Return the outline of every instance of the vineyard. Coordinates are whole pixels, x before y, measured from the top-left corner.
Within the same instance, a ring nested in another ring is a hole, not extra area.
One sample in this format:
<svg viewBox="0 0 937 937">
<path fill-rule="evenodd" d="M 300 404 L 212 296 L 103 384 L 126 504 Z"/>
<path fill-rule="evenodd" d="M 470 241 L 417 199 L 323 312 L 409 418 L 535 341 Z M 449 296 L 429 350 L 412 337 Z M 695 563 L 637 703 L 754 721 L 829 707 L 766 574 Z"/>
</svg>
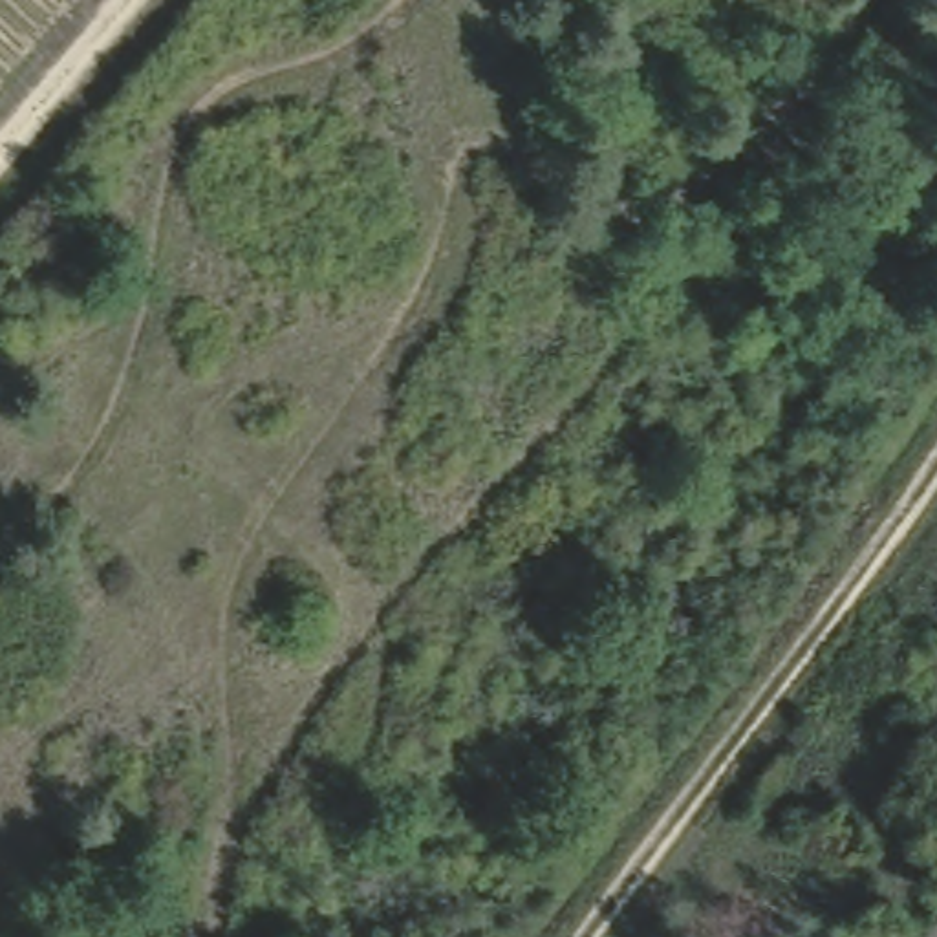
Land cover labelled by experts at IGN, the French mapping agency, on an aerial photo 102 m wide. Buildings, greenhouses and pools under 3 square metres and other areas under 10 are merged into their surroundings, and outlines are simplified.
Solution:
<svg viewBox="0 0 937 937">
<path fill-rule="evenodd" d="M 0 124 L 55 66 L 55 59 L 84 33 L 102 0 L 0 0 Z"/>
</svg>

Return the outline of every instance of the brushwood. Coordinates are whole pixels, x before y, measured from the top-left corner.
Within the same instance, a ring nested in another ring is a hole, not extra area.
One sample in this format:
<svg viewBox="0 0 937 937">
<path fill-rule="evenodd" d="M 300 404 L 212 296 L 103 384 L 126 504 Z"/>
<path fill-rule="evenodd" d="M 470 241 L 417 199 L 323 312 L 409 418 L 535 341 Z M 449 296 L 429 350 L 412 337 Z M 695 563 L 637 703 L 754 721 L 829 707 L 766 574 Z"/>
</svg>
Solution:
<svg viewBox="0 0 937 937">
<path fill-rule="evenodd" d="M 355 15 L 366 0 L 154 0 L 124 29 L 124 37 L 95 59 L 84 84 L 40 124 L 40 132 L 11 154 L 11 165 L 0 176 L 0 326 L 48 322 L 48 307 L 62 296 L 84 267 L 88 242 L 102 242 L 106 231 L 113 238 L 128 238 L 128 227 L 113 216 L 113 209 L 128 198 L 128 176 L 135 165 L 132 146 L 146 139 L 146 124 L 154 121 L 154 110 L 161 102 L 172 102 L 190 77 L 212 70 L 227 48 L 242 48 L 245 37 L 267 26 L 304 22 L 304 33 L 311 37 L 337 37 L 340 22 Z"/>
<path fill-rule="evenodd" d="M 479 0 L 487 7 L 483 18 L 461 15 L 461 51 L 469 59 L 472 77 L 494 92 L 505 135 L 490 139 L 479 150 L 469 150 L 458 179 L 476 216 L 472 242 L 461 264 L 461 285 L 472 289 L 465 329 L 439 333 L 428 355 L 414 366 L 403 421 L 384 421 L 381 436 L 359 447 L 359 465 L 337 469 L 326 479 L 326 538 L 344 553 L 348 567 L 362 571 L 370 586 L 384 586 L 392 597 L 381 600 L 377 622 L 362 633 L 362 641 L 351 644 L 348 655 L 322 677 L 322 688 L 307 703 L 285 750 L 271 761 L 264 783 L 249 794 L 249 802 L 234 809 L 212 893 L 205 893 L 209 864 L 216 853 L 212 842 L 198 838 L 194 845 L 179 845 L 179 838 L 161 838 L 135 813 L 124 824 L 99 813 L 117 776 L 66 783 L 62 798 L 77 816 L 66 824 L 62 845 L 40 853 L 37 867 L 18 875 L 11 897 L 0 889 L 0 937 L 59 937 L 59 930 L 102 926 L 110 915 L 117 915 L 124 900 L 139 900 L 146 893 L 146 882 L 139 878 L 143 853 L 157 860 L 157 871 L 172 878 L 172 897 L 183 900 L 194 915 L 194 922 L 179 926 L 176 937 L 575 937 L 571 926 L 582 919 L 589 900 L 604 889 L 611 871 L 626 860 L 626 853 L 644 838 L 662 805 L 677 794 L 684 776 L 717 739 L 725 717 L 747 699 L 754 681 L 780 659 L 791 637 L 809 622 L 816 604 L 831 593 L 842 571 L 853 564 L 853 556 L 864 549 L 864 542 L 875 534 L 904 483 L 911 479 L 915 465 L 937 439 L 937 388 L 922 384 L 922 377 L 875 381 L 871 399 L 878 399 L 878 421 L 856 436 L 794 436 L 791 428 L 783 428 L 780 406 L 787 395 L 805 388 L 805 381 L 802 373 L 780 373 L 776 366 L 776 340 L 765 315 L 776 307 L 776 296 L 761 285 L 754 253 L 732 249 L 728 216 L 758 212 L 765 205 L 761 179 L 769 179 L 787 157 L 802 168 L 816 168 L 824 161 L 827 143 L 835 135 L 831 117 L 845 99 L 856 95 L 867 70 L 875 70 L 893 92 L 900 92 L 900 135 L 915 150 L 926 146 L 937 124 L 937 0 Z M 410 494 L 417 487 L 428 490 L 443 487 L 447 479 L 458 483 L 465 476 L 483 479 L 487 490 L 469 523 L 443 534 L 432 516 L 417 516 Z M 589 615 L 597 604 L 619 600 L 648 600 L 666 604 L 673 611 L 666 630 L 666 659 L 648 684 L 578 684 L 578 673 L 564 666 L 556 648 L 564 648 L 564 633 L 589 633 Z M 534 878 L 527 864 L 516 860 L 520 838 L 516 827 L 501 835 L 494 794 L 505 765 L 520 754 L 542 758 L 545 776 L 556 783 L 608 783 L 615 791 L 608 813 L 619 820 L 619 835 L 600 860 L 586 860 L 571 871 L 549 871 L 542 878 Z M 366 831 L 384 824 L 381 802 L 392 805 L 399 820 L 410 820 L 414 805 L 428 805 L 432 835 L 421 842 L 421 856 L 414 867 L 406 867 L 403 875 L 370 878 L 359 871 L 351 853 L 362 845 Z"/>
<path fill-rule="evenodd" d="M 234 399 L 234 428 L 242 432 L 271 432 L 275 417 L 289 414 L 293 384 L 264 377 L 256 384 L 245 384 L 245 392 Z"/>
<path fill-rule="evenodd" d="M 15 714 L 18 703 L 37 699 L 37 677 L 66 677 L 66 644 L 77 633 L 81 615 L 70 593 L 81 578 L 99 575 L 106 560 L 117 560 L 121 553 L 106 542 L 95 542 L 95 527 L 88 527 L 88 520 L 70 505 L 62 534 L 51 538 L 51 545 L 44 549 L 22 549 L 18 560 L 4 571 L 0 586 L 0 710 Z"/>
<path fill-rule="evenodd" d="M 340 110 L 344 81 L 333 70 L 322 102 L 296 95 L 296 106 L 285 113 L 253 113 L 245 121 L 201 132 L 198 157 L 187 168 L 187 190 L 179 190 L 179 198 L 190 216 L 190 231 L 201 238 L 223 238 L 227 260 L 245 260 L 253 282 L 264 282 L 271 293 L 293 293 L 296 300 L 304 293 L 329 293 L 329 311 L 340 311 L 344 289 L 370 285 L 373 278 L 395 278 L 403 264 L 417 260 L 421 238 L 410 231 L 410 198 L 399 194 L 403 176 L 410 172 L 410 154 L 403 150 L 395 157 L 384 146 L 384 139 L 370 139 L 359 132 L 362 113 Z"/>
<path fill-rule="evenodd" d="M 772 721 L 758 732 L 758 739 L 739 754 L 736 772 L 728 772 L 714 798 L 695 813 L 695 820 L 666 853 L 659 871 L 648 875 L 641 889 L 615 893 L 600 908 L 600 915 L 608 919 L 608 937 L 937 937 L 937 717 L 919 721 L 915 699 L 904 692 L 908 659 L 915 652 L 926 652 L 926 633 L 937 633 L 937 582 L 915 575 L 908 586 L 893 593 L 878 578 L 820 644 L 813 666 L 802 673 L 794 692 L 776 706 Z"/>
<path fill-rule="evenodd" d="M 194 370 L 205 366 L 220 373 L 234 351 L 234 326 L 220 318 L 212 322 L 212 337 L 201 337 L 194 344 Z"/>
</svg>

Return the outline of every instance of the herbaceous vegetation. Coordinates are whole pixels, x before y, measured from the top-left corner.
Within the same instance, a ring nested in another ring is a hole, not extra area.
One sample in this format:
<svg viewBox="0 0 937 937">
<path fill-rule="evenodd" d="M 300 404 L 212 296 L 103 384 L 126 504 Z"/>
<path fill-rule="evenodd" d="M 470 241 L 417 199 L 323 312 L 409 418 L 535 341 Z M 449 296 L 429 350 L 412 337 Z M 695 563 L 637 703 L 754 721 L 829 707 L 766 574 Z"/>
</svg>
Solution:
<svg viewBox="0 0 937 937">
<path fill-rule="evenodd" d="M 410 494 L 417 516 L 432 516 L 443 534 L 469 523 L 487 490 L 483 479 L 465 476 L 458 483 L 447 479 L 443 487 L 428 490 L 417 487 Z"/>
<path fill-rule="evenodd" d="M 414 366 L 428 355 L 439 333 L 465 329 L 472 289 L 461 285 L 461 264 L 472 242 L 476 216 L 458 179 L 469 150 L 479 150 L 490 139 L 505 135 L 494 92 L 472 77 L 469 59 L 461 51 L 461 15 L 483 18 L 487 7 L 479 0 L 366 0 L 355 15 L 340 22 L 337 37 L 311 37 L 304 33 L 304 22 L 267 26 L 245 37 L 242 48 L 227 48 L 212 70 L 190 77 L 172 102 L 161 102 L 154 110 L 154 121 L 146 124 L 146 139 L 132 146 L 135 165 L 128 176 L 128 198 L 113 209 L 113 216 L 128 227 L 143 234 L 150 260 L 165 264 L 172 282 L 168 304 L 150 304 L 124 326 L 95 326 L 84 315 L 81 300 L 62 296 L 48 307 L 48 322 L 0 326 L 0 586 L 4 571 L 18 560 L 22 549 L 44 549 L 51 545 L 51 538 L 62 534 L 70 505 L 88 520 L 88 527 L 95 527 L 95 542 L 106 542 L 121 553 L 117 560 L 106 560 L 99 575 L 81 578 L 70 593 L 81 615 L 77 633 L 66 644 L 66 677 L 37 677 L 37 699 L 18 703 L 15 714 L 0 710 L 0 889 L 11 897 L 18 875 L 37 867 L 40 853 L 62 845 L 66 824 L 77 816 L 62 798 L 66 783 L 117 776 L 99 813 L 124 824 L 135 813 L 161 838 L 179 838 L 179 845 L 194 845 L 198 838 L 212 842 L 216 853 L 209 864 L 205 893 L 212 893 L 234 809 L 249 802 L 249 794 L 264 783 L 271 761 L 285 750 L 307 703 L 322 688 L 322 677 L 348 655 L 351 644 L 362 641 L 362 633 L 377 622 L 381 600 L 392 597 L 384 586 L 370 586 L 362 571 L 348 567 L 344 553 L 326 538 L 326 479 L 337 469 L 359 465 L 359 447 L 381 436 L 384 421 L 403 421 Z M 245 260 L 227 260 L 223 238 L 201 238 L 190 231 L 190 216 L 179 198 L 179 190 L 187 190 L 187 168 L 198 157 L 201 132 L 245 121 L 253 113 L 285 113 L 296 106 L 296 95 L 322 102 L 333 70 L 344 81 L 340 110 L 362 113 L 359 132 L 370 139 L 384 139 L 384 146 L 395 157 L 403 150 L 410 154 L 410 172 L 403 176 L 399 194 L 410 198 L 410 231 L 421 238 L 417 260 L 403 264 L 395 278 L 373 278 L 370 285 L 344 289 L 340 311 L 329 311 L 329 293 L 304 293 L 296 300 L 293 293 L 271 293 L 264 282 L 253 282 Z M 212 337 L 212 322 L 220 318 L 234 326 L 234 351 L 220 373 L 205 366 L 194 370 L 194 344 L 201 337 Z M 234 399 L 245 392 L 245 384 L 256 384 L 264 377 L 293 384 L 289 414 L 275 417 L 271 432 L 242 432 L 234 428 Z M 55 432 L 40 443 L 29 443 L 11 417 L 29 414 L 37 388 L 51 392 L 48 425 Z"/>
<path fill-rule="evenodd" d="M 878 578 L 893 593 L 908 586 L 915 575 L 937 582 L 937 498 L 922 512 L 915 531 L 904 538 L 904 545 L 886 560 Z"/>
<path fill-rule="evenodd" d="M 937 633 L 926 633 L 926 652 L 915 652 L 908 659 L 904 692 L 915 699 L 919 721 L 937 717 Z"/>
</svg>

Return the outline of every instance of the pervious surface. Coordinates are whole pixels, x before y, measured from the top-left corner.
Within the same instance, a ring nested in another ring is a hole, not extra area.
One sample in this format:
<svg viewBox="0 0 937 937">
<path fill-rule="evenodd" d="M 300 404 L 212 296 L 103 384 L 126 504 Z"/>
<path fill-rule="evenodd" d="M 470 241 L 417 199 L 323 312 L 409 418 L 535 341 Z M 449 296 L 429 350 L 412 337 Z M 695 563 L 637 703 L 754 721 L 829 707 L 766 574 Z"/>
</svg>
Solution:
<svg viewBox="0 0 937 937">
<path fill-rule="evenodd" d="M 154 0 L 102 0 L 84 33 L 55 59 L 55 66 L 0 124 L 0 176 L 11 165 L 11 154 L 40 132 L 40 124 L 84 84 L 95 59 L 124 37 L 124 29 Z"/>
<path fill-rule="evenodd" d="M 864 542 L 864 549 L 853 556 L 853 564 L 842 571 L 831 593 L 816 604 L 809 622 L 791 637 L 780 659 L 754 681 L 747 699 L 725 717 L 717 739 L 684 776 L 677 794 L 662 805 L 644 838 L 626 853 L 626 860 L 611 871 L 604 889 L 589 900 L 582 919 L 571 926 L 575 937 L 608 937 L 608 919 L 600 915 L 600 908 L 615 893 L 641 889 L 648 875 L 659 871 L 666 853 L 695 820 L 695 813 L 714 798 L 728 772 L 736 772 L 739 754 L 758 739 L 758 732 L 772 721 L 776 706 L 794 692 L 802 673 L 813 666 L 820 644 L 878 578 L 886 560 L 904 545 L 904 538 L 915 531 L 922 512 L 937 498 L 937 439 L 915 465 L 911 479 L 904 483 L 875 534 Z"/>
</svg>

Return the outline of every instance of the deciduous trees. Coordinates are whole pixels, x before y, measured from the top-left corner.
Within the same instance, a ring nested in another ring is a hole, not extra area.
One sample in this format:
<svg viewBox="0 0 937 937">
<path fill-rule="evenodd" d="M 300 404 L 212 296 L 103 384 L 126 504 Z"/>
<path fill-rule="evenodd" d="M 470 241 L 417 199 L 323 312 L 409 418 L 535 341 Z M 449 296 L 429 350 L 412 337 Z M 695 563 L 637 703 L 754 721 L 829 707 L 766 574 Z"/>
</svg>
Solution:
<svg viewBox="0 0 937 937">
<path fill-rule="evenodd" d="M 102 242 L 88 242 L 84 267 L 62 296 L 81 300 L 84 315 L 95 326 L 124 326 L 150 304 L 168 304 L 172 282 L 165 264 L 150 260 L 143 234 L 128 227 L 128 238 L 113 238 L 106 231 Z"/>
<path fill-rule="evenodd" d="M 157 860 L 143 853 L 139 878 L 146 882 L 146 893 L 139 900 L 124 900 L 117 915 L 110 915 L 102 926 L 59 930 L 59 937 L 176 937 L 179 926 L 194 922 L 194 915 L 183 900 L 172 897 L 172 878 L 157 871 Z"/>
<path fill-rule="evenodd" d="M 40 443 L 55 432 L 48 425 L 51 392 L 37 388 L 29 414 L 11 417 L 29 443 Z"/>
<path fill-rule="evenodd" d="M 871 399 L 875 381 L 922 377 L 922 384 L 937 388 L 937 124 L 926 146 L 915 150 L 900 135 L 900 92 L 893 92 L 875 70 L 867 70 L 856 95 L 845 99 L 831 117 L 835 135 L 827 143 L 824 161 L 816 168 L 802 168 L 787 157 L 769 179 L 761 179 L 765 205 L 758 212 L 728 216 L 732 249 L 754 253 L 761 285 L 776 296 L 776 307 L 765 315 L 776 340 L 776 366 L 780 373 L 802 373 L 805 381 L 805 388 L 787 395 L 780 406 L 783 428 L 791 428 L 794 436 L 856 436 L 878 421 L 878 399 Z"/>
<path fill-rule="evenodd" d="M 366 831 L 362 845 L 351 853 L 359 871 L 370 878 L 403 875 L 406 867 L 414 867 L 421 856 L 421 842 L 432 835 L 428 805 L 414 805 L 410 820 L 399 820 L 392 805 L 381 802 L 384 824 Z"/>
<path fill-rule="evenodd" d="M 542 758 L 520 754 L 505 765 L 494 794 L 501 835 L 516 827 L 520 838 L 516 860 L 527 864 L 534 878 L 542 878 L 549 871 L 571 871 L 586 860 L 600 860 L 619 835 L 619 820 L 608 813 L 615 791 L 608 783 L 556 783 L 545 776 Z"/>
<path fill-rule="evenodd" d="M 556 648 L 564 666 L 578 673 L 578 684 L 648 684 L 666 659 L 666 630 L 673 611 L 666 604 L 648 600 L 619 600 L 597 604 L 589 615 L 589 633 L 564 633 L 564 648 Z"/>
</svg>

